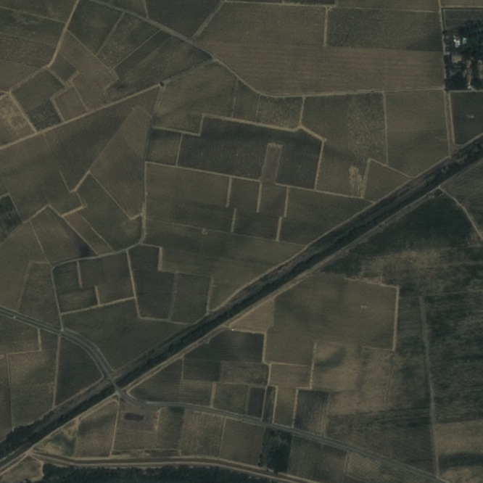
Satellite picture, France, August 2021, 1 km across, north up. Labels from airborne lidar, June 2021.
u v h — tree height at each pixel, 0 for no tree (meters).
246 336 0
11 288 0
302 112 0
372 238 0
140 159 0
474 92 0
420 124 0
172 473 11
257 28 0
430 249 0
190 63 0
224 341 0
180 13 0
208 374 0
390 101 0
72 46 0
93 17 0
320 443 0
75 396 0
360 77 0
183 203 0
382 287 0
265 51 0
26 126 0
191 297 0
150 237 0
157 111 0
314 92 0
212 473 10
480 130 0
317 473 0
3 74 0
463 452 0
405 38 0
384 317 0
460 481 0
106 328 0
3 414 0
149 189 0
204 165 0
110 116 0
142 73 0
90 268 0
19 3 0
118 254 0
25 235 0
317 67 0
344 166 0
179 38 0
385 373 0
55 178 0
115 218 0
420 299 0
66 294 0
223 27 0
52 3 0
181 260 0
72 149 0
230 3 0
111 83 0
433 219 0
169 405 0
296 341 0
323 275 0
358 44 0
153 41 0
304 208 0
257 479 11
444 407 0
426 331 0
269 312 0
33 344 0
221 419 0
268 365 0
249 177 0
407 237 0
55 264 0
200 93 0
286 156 0
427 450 0
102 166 0
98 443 0
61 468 7
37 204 0
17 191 0
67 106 0
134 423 0
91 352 0
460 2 0
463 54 12
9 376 0
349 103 0
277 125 0
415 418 0
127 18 0
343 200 0
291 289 0
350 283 0
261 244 0
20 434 20
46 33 0
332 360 0
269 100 0
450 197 0
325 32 0
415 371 0
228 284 0
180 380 0
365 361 0
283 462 10
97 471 7
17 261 0
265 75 0
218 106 0
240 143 0
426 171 0
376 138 0
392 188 0
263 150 0
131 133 0
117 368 0
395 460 0
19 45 0
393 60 0
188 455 0
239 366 0
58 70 0
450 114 0
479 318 0
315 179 0
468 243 0
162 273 0
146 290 0
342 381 0
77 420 0
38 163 0
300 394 0
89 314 0
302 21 0
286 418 0
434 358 0
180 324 0
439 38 0
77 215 0
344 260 0
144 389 0
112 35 0
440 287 0
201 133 0
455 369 0
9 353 0
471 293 0
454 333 0
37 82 0
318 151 0
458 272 0
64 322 0
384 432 0
